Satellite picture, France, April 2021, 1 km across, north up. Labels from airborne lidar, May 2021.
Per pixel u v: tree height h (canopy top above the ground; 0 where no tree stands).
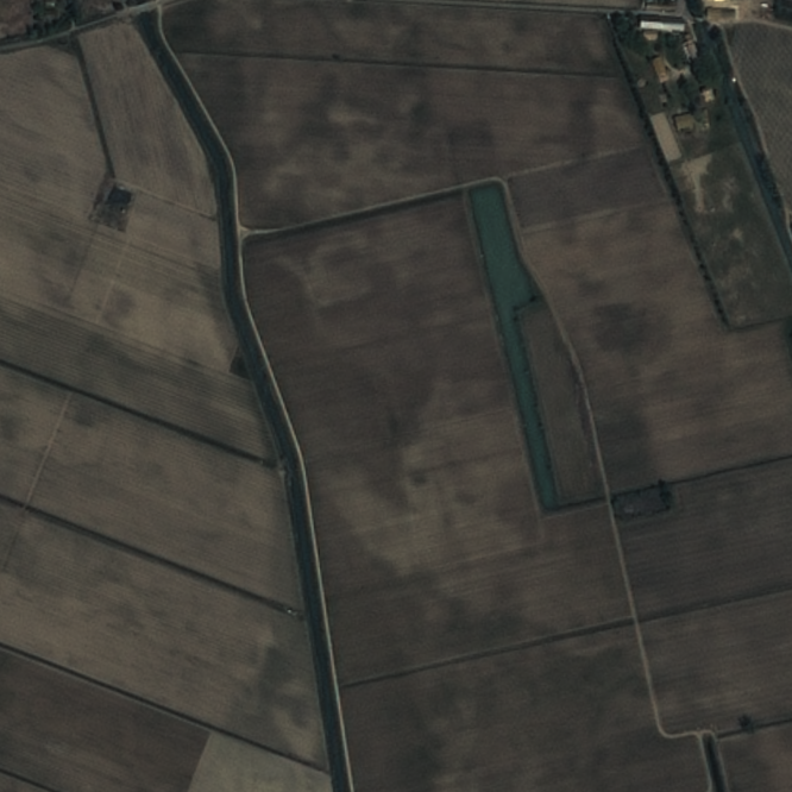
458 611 0
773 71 0
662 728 0
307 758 0
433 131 0
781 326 0
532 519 0
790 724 0
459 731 0
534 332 0
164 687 0
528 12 0
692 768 0
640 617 0
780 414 0
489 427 0
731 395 0
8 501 0
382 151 0
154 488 0
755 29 0
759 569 0
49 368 0
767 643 0
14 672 0
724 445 0
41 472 0
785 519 0
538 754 0
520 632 0
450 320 0
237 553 0
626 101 0
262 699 0
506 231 0
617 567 0
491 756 0
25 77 0
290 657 0
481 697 0
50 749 0
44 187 0
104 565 0
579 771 0
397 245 0
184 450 0
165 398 0
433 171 0
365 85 0
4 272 0
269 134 0
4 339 0
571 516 0
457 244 0
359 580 0
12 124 0
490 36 0
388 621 0
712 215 0
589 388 0
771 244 0
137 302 0
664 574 0
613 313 0
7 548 0
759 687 0
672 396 0
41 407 0
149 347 0
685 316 0
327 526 0
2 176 0
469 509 0
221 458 0
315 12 0
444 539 0
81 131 0
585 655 0
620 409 0
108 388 0
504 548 0
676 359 0
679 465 0
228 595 0
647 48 22
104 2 0
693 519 0
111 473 0
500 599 0
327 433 0
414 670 0
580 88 0
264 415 0
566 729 0
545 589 0
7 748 0
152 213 0
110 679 0
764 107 0
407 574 0
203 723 0
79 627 0
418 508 0
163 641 0
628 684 0
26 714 0
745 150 0
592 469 0
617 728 0
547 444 0
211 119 0
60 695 0
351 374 0
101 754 0
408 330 0
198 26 0
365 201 0
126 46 0
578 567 0
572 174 0
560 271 0
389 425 0
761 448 0
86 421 0
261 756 0
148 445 0
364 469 0
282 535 0
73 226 0
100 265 0
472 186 0
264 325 0
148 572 0
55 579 0
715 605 0
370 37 0
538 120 0
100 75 0
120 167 0
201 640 0
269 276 0
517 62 0
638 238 0
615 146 0
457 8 0
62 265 0
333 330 0
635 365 0
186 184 0
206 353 0
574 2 0
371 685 0
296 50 0
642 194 0
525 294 0
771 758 0
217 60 0
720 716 0
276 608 0
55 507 0
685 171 0
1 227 0
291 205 0
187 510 0
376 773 0
